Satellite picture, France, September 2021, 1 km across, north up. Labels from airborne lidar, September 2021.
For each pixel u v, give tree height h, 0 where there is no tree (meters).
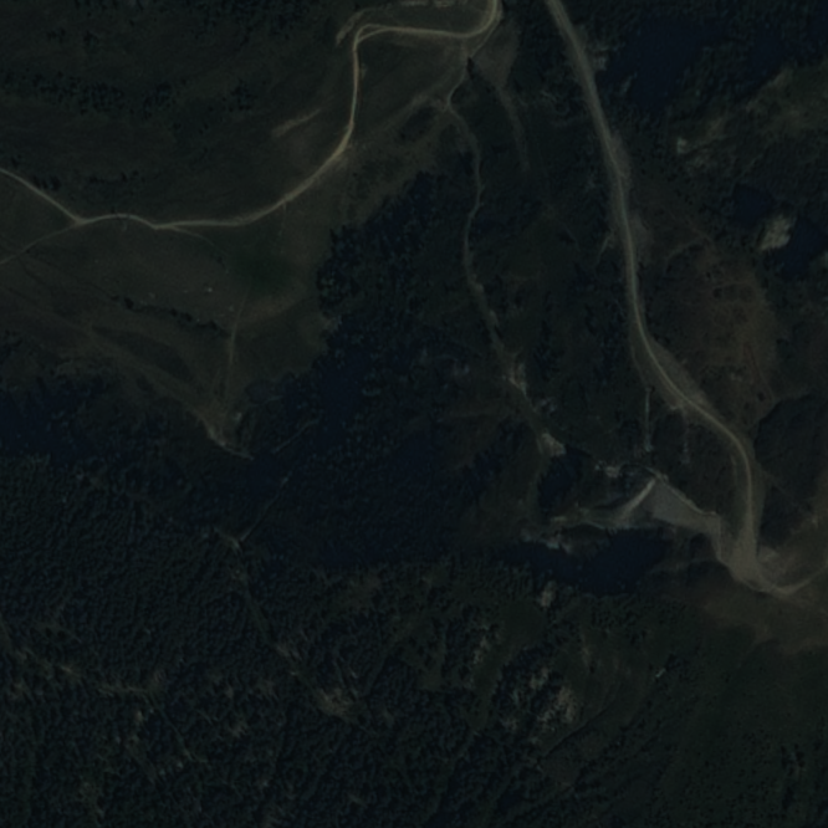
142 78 0
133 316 0
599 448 0
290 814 7
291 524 0
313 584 18
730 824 8
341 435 7
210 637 25
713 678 0
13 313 0
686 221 0
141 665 22
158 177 0
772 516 0
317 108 0
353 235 0
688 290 0
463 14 0
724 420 0
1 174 0
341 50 0
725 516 0
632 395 0
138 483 8
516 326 0
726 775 0
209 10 9
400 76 0
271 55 0
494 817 6
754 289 0
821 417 0
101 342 0
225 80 0
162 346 0
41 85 12
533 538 0
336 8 0
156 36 0
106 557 28
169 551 22
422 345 0
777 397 0
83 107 7
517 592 15
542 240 0
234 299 0
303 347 0
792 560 0
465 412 0
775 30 7
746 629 0
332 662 23
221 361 0
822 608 0
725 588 0
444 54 0
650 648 0
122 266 0
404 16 0
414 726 26
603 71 0
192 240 0
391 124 0
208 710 27
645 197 0
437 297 0
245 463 0
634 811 0
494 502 0
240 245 0
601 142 0
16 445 13
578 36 0
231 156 0
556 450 0
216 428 0
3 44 0
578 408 0
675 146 0
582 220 0
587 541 0
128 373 0
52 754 15
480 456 0
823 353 0
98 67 0
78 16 0
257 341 0
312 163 0
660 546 0
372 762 8
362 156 0
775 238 0
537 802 7
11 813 15
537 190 0
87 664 10
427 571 8
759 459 0
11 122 0
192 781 27
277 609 27
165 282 0
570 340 0
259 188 0
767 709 0
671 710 0
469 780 27
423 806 19
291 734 24
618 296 0
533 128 0
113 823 10
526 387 0
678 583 0
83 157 0
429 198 9
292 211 0
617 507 0
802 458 0
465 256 0
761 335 0
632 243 0
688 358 0
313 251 0
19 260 0
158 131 0
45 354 0
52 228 0
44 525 15
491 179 0
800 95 0
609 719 0
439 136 0
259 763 10
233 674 25
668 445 0
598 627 7
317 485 0
